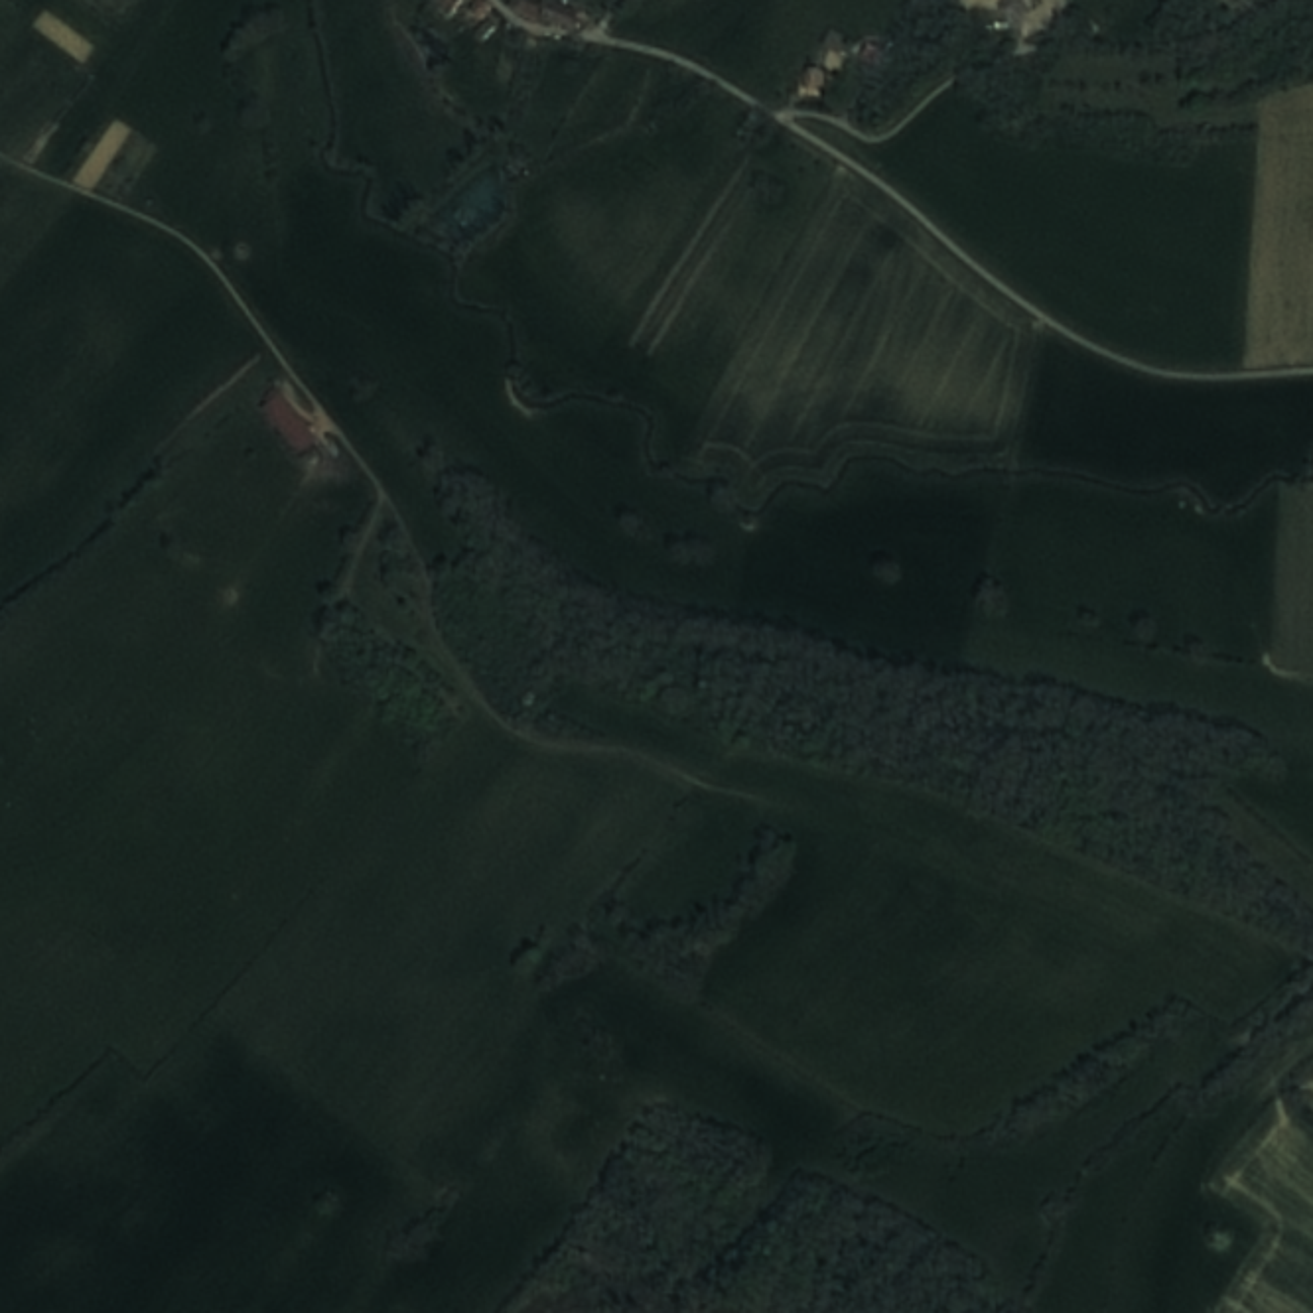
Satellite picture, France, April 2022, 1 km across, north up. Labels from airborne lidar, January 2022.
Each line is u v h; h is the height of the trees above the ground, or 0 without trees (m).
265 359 0
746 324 0
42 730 0
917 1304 21
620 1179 21
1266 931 15
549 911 0
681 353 0
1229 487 0
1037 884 0
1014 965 0
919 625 0
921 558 0
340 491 0
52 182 0
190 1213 0
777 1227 21
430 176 0
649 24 0
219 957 0
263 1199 0
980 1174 0
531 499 0
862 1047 0
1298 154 0
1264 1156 0
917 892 0
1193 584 0
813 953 0
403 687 14
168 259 0
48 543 0
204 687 0
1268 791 0
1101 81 0
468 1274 0
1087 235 0
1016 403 0
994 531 0
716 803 0
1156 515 0
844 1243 18
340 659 6
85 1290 0
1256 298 0
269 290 0
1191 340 0
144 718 0
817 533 0
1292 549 0
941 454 0
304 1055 0
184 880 0
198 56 0
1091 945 0
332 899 0
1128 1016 0
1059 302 0
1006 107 17
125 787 0
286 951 0
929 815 0
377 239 0
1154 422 0
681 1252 25
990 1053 0
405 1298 0
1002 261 0
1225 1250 0
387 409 0
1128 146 8
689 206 0
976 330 0
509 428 0
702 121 0
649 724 0
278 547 0
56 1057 0
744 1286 21
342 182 0
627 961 0
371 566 0
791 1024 0
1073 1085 16
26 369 0
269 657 0
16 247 0
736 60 0
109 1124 0
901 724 24
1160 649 6
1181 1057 0
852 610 0
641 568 0
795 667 24
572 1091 0
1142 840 18
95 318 0
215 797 0
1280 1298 0
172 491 0
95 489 0
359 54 0
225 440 0
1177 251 0
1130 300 0
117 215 0
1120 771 24
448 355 0
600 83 0
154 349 0
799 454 0
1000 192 0
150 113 0
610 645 19
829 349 0
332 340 0
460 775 0
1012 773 20
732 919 20
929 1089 0
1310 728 0
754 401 0
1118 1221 0
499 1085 0
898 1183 0
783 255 0
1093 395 0
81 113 0
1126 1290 0
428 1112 0
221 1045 0
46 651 0
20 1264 0
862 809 0
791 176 0
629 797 0
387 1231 0
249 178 0
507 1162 0
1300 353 0
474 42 0
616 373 0
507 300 0
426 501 0
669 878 0
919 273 0
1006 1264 0
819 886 0
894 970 0
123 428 0
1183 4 17
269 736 0
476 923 0
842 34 0
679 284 0
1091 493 0
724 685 26
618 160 0
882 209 0
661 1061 0
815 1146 0
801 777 0
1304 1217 0
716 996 0
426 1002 0
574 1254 13
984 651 0
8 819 0
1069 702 19
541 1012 0
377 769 0
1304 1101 11
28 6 0
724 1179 16
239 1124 0
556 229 0
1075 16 10
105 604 0
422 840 0
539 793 0
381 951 0
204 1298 0
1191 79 12
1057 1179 0
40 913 0
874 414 0
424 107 0
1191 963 0
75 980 0
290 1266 0
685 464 0
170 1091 0
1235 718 0
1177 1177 0
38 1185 0
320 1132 0
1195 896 15
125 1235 0
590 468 0
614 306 0
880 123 12
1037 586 0
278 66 0
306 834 0
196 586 0
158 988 0
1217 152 0
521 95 9
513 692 7
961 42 16
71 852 0
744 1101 0
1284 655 0
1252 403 0
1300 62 14
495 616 8
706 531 0
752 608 0
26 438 0
